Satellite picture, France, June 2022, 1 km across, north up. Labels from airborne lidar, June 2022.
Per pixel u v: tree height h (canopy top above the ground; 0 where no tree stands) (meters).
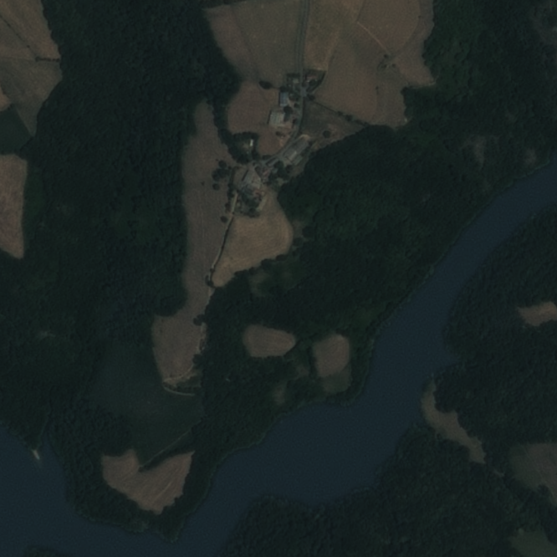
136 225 14
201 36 16
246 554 24
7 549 0
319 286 21
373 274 22
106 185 23
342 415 0
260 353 0
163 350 0
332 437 0
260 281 0
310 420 0
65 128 25
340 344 0
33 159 18
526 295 17
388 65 0
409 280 22
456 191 26
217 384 18
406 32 0
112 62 22
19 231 0
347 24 0
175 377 0
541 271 14
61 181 17
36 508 0
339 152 16
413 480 18
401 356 0
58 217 12
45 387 17
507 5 14
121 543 0
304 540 25
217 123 16
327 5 0
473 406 20
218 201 0
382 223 24
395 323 0
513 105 12
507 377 22
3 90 6
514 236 16
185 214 12
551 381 17
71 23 18
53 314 17
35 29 0
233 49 0
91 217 18
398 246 23
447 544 18
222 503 0
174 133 12
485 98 16
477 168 16
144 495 0
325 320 16
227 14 0
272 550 15
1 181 0
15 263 11
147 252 21
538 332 11
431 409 0
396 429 0
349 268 19
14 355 14
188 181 0
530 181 0
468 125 19
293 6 0
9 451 0
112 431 11
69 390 22
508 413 21
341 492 0
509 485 24
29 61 0
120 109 20
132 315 20
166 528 15
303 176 10
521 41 15
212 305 15
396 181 17
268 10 0
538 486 0
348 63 0
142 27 14
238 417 11
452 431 0
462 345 16
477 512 20
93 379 7
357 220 18
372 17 0
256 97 0
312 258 18
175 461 0
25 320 8
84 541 0
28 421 14
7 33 0
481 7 21
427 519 18
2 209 0
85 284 17
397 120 0
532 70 14
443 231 25
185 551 0
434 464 22
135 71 24
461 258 0
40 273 10
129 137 13
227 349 19
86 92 22
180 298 12
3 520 0
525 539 0
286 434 0
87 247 15
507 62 27
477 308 15
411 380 0
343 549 26
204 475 23
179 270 8
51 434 15
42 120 13
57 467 0
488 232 0
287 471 0
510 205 0
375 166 19
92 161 25
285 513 10
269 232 0
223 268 0
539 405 17
